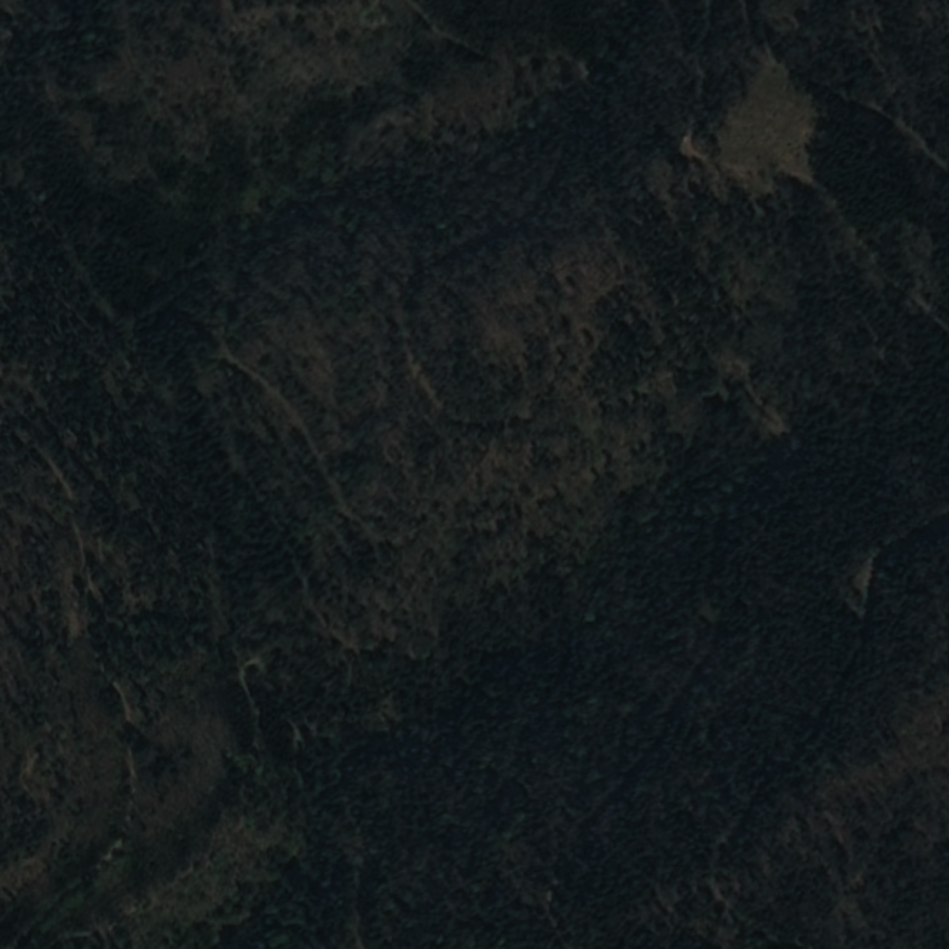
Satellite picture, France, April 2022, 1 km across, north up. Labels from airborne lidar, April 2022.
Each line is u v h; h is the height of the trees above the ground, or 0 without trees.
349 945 25
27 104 18
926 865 22
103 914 15
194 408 29
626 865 29
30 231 33
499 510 7
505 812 28
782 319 29
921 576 18
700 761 27
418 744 32
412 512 21
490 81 15
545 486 21
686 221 29
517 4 22
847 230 19
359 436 25
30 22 8
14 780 30
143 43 9
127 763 12
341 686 20
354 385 25
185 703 13
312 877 10
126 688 12
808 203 30
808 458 13
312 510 26
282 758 23
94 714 18
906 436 31
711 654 19
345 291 28
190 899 17
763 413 17
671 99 27
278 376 28
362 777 28
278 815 20
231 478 25
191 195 14
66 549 16
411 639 21
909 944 22
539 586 28
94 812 18
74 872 11
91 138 10
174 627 42
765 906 23
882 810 28
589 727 29
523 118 17
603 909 25
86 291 10
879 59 27
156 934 22
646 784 31
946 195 19
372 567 22
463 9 15
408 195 31
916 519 24
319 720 9
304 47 17
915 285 18
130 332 27
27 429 8
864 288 23
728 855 14
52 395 38
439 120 9
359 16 17
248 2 15
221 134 14
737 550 24
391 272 7
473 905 23
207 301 37
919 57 27
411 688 24
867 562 9
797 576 22
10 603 7
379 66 29
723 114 19
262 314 19
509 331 25
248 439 30
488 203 31
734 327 25
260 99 13
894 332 30
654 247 28
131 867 15
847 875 25
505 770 23
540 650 24
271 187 16
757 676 30
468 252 27
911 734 10
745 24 26
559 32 23
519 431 27
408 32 13
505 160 37
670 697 31
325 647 10
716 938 15
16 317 35
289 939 9
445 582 26
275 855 15
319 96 14
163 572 28
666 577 26
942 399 24
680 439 24
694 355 24
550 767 32
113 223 19
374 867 8
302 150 13
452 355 14
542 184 31
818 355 19
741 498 10
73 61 20
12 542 8
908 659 21
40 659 33
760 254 24
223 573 26
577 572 33
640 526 28
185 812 14
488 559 21
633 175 25
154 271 12
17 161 15
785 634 28
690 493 26
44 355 33
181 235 20
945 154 11
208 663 8
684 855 21
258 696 22
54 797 26
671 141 22
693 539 23
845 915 20
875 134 21
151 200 18
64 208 21
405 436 13
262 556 28
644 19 28
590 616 23
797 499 30
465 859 30
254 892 28
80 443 35
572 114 33
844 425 27
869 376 25
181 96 11
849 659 24
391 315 12
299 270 32
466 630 30
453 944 23
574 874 25
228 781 17
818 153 25
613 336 26
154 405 25
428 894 15
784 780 21
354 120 13
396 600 20
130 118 16
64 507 17
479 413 22
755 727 26
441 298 19
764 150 0
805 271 19
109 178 15
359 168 19
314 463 18
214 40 12
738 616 24
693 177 25
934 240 11
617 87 35
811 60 23
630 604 26
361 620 16
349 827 27
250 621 32
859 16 28
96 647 32
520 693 32
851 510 30
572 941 24
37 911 12
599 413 14
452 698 30
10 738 29
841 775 6
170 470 28
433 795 23
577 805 7
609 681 29
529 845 26
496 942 19
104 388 32
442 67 18
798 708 28
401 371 27
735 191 28
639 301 11
